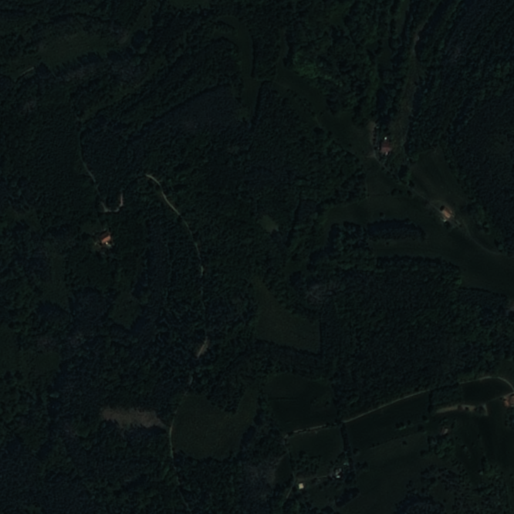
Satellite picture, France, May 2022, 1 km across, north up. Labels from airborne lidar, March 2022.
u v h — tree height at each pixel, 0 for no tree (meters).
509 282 0
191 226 8
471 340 17
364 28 27
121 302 0
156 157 13
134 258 7
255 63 11
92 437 23
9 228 6
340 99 20
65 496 31
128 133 9
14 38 7
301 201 22
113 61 26
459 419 0
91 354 35
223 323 22
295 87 0
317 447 0
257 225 8
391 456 0
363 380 9
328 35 25
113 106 6
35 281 29
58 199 8
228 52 14
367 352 20
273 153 11
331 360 20
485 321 21
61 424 38
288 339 0
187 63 17
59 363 0
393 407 0
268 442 11
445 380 17
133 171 16
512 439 0
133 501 19
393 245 0
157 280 20
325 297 14
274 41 12
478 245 0
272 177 19
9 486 24
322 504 0
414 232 27
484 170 19
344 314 9
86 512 31
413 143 14
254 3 9
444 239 0
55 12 15
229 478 21
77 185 6
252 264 9
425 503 23
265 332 0
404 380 19
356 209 0
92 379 31
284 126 17
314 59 28
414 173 0
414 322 12
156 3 0
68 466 25
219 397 16
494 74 16
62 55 0
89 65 27
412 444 0
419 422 0
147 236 7
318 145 20
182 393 23
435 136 23
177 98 15
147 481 26
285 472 0
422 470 0
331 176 20
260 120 16
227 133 19
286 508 17
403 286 18
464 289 6
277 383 0
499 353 15
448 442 15
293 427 0
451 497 0
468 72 13
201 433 0
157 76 6
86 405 24
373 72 23
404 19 0
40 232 0
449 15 14
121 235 9
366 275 29
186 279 9
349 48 31
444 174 0
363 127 12
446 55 23
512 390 0
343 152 19
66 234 32
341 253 26
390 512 0
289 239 24
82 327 31
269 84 13
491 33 12
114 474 32
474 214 25
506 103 19
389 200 0
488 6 24
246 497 20
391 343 20
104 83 9
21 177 14
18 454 29
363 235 20
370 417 0
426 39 19
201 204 6
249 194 22
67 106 7
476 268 0
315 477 9
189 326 27
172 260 11
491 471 18
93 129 14
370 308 19
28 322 22
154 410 15
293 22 24
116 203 11
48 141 10
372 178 0
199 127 26
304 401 0
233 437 0
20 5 24
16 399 23
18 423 29
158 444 24
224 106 24
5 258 21
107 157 17
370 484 0
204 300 12
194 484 19
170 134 10
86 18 18
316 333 0
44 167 9
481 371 13
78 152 6
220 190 14
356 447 0
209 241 8
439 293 10
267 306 0
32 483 28
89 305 31
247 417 0
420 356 20
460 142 20
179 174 9
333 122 0
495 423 0
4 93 19
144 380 30
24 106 18
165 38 17
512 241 22
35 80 15
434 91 22
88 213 7
